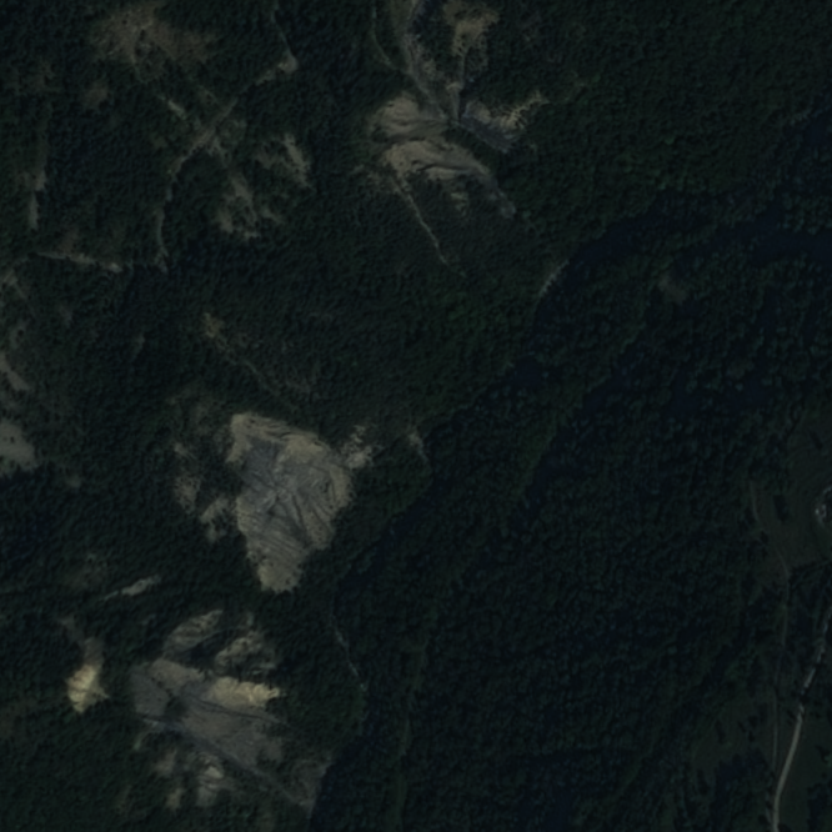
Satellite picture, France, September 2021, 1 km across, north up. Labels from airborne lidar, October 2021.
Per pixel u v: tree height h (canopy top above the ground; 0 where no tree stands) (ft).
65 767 62
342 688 66
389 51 43
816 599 28
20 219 22
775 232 81
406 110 0
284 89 33
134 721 37
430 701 44
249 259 106
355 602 93
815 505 0
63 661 59
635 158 67
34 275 45
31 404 40
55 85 24
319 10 62
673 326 95
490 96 55
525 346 32
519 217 25
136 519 60
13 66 34
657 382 93
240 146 20
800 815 0
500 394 92
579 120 67
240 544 40
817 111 74
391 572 92
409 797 21
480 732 76
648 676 81
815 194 85
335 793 71
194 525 33
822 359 83
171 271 71
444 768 82
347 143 39
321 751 37
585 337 93
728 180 76
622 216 40
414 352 80
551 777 81
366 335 35
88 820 73
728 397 77
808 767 0
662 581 88
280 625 42
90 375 76
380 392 38
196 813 31
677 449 82
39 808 59
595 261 77
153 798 54
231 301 72
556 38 82
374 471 35
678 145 79
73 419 28
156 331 59
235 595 53
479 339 76
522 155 30
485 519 76
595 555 77
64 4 59
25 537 62
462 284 44
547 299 22
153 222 37
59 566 73
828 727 0
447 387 27
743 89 99
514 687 71
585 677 79
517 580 67
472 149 26
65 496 40
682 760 47
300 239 52
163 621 27
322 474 0
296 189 52
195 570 87
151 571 51
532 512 19
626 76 76
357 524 22
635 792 28
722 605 79
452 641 99
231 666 31
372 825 30
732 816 83
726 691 50
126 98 49
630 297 79
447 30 33
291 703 33
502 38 76
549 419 69
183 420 32
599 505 72
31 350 32
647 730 80
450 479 86
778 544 0
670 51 86
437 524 96
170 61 24
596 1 68
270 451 0
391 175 25
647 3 96
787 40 88
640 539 72
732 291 65
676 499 96
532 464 68
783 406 93
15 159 23
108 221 52
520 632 99
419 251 53
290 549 0
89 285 49
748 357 80
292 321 25
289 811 34
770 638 55
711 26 64
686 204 84
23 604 37
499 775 65
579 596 94
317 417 43
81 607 29
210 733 0
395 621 102
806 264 44
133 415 100
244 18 44
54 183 25
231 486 39
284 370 31
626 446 78
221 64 50
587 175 98
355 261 50
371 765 95
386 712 94
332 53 100
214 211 49
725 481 95
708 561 100
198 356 64
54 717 40
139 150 56
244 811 28
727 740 60
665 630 101
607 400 94
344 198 41
